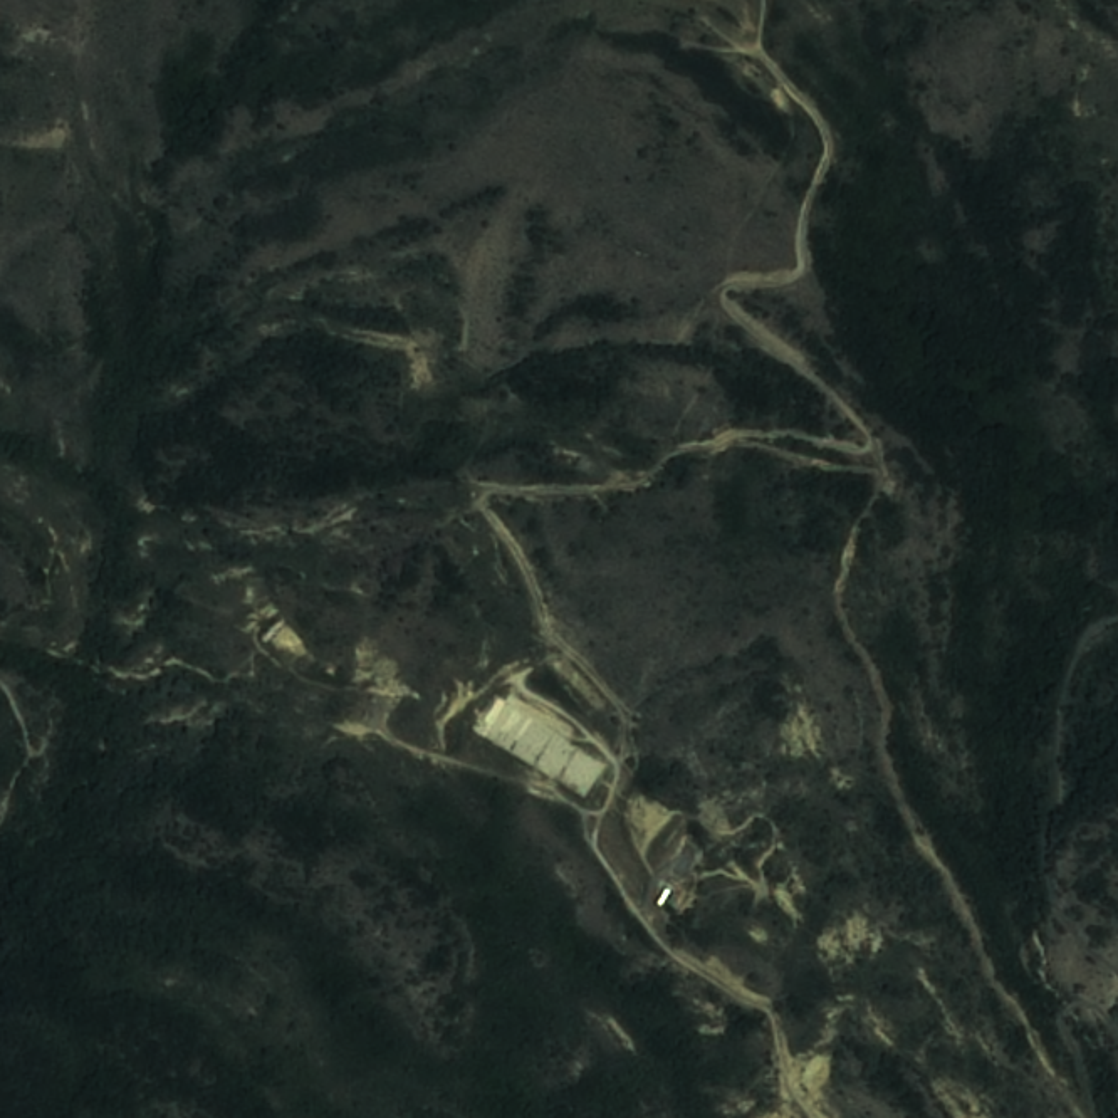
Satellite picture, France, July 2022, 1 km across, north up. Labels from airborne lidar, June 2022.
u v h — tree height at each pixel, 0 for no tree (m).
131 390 9
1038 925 7
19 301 0
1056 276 8
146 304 7
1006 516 9
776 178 0
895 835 5
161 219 7
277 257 0
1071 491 9
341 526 0
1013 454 11
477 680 0
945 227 10
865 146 7
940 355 15
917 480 7
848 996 0
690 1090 6
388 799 0
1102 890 8
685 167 0
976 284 6
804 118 0
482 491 0
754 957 0
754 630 0
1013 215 6
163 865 9
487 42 0
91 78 0
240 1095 8
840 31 0
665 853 0
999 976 8
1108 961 0
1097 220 6
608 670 0
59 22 0
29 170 0
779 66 0
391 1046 7
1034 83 6
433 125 0
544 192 0
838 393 0
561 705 0
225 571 0
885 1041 0
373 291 0
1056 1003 14
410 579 7
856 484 6
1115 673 6
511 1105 9
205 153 6
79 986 8
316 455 7
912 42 6
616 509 6
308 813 6
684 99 0
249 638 0
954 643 8
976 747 11
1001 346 9
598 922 0
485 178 0
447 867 7
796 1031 0
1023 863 7
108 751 8
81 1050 5
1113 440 8
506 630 0
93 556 6
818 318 0
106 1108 8
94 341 8
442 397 0
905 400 10
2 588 0
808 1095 0
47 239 0
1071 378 8
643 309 0
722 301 0
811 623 0
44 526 0
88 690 6
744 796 0
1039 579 9
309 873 6
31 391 0
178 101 11
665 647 0
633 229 0
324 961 6
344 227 0
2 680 0
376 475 8
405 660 0
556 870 0
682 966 0
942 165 7
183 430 6
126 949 7
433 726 0
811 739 0
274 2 10
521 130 0
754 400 6
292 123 0
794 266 0
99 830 7
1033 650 10
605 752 0
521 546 0
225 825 8
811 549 6
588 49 0
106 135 0
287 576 7
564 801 0
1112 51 0
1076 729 8
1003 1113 8
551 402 6
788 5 0
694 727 0
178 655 7
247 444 8
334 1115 6
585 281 0
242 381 6
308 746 0
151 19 0
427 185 0
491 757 0
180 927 10
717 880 0
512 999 7
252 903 6
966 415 17
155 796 7
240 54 8
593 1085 9
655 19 0
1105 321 7
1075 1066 9
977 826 6
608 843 0
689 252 0
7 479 0
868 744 6
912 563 7
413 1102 6
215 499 6
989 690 6
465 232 0
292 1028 8
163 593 10
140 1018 6
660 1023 6
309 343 5
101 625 8
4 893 13
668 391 0
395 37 0
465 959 7
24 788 7
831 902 11
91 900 10
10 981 9
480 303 0
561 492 0
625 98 0
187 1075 6
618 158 0
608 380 6
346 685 0
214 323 7
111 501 8
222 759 9
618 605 0
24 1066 6
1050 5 0
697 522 0
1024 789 12
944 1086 0
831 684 0
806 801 6
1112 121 0
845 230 8
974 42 0
